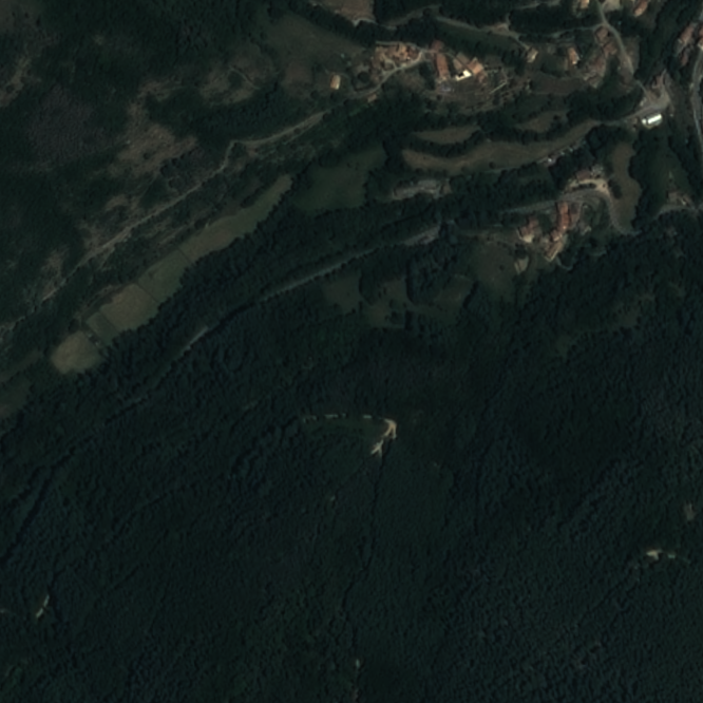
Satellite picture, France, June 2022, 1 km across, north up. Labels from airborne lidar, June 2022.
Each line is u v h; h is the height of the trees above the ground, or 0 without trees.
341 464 23
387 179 11
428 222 14
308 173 22
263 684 31
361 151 14
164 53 7
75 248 13
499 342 17
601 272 14
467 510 20
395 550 29
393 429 0
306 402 16
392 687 25
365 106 6
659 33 12
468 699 23
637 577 21
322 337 21
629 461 11
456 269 24
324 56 0
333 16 21
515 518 23
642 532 14
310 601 11
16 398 0
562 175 20
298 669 7
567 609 16
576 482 14
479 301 26
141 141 0
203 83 10
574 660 18
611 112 24
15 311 11
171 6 10
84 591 26
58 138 12
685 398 13
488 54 11
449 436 20
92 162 6
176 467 21
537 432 28
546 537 20
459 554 20
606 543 24
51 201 15
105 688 23
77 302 9
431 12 16
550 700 18
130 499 16
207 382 11
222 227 0
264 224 7
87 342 0
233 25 14
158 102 8
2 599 23
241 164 0
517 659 20
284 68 0
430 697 20
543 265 0
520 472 25
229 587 15
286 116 20
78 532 30
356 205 0
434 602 20
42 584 30
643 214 24
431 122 21
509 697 18
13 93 10
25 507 21
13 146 12
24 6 0
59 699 24
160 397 21
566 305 9
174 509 15
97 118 10
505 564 25
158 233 7
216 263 24
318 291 13
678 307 20
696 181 20
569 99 14
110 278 10
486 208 12
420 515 26
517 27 7
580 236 10
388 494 32
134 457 14
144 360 8
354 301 0
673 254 21
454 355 16
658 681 18
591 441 12
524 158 0
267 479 23
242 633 9
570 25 17
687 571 22
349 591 18
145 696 29
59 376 6
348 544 18
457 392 13
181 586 15
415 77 0
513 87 12
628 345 17
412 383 18
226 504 12
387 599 29
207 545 13
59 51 7
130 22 11
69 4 8
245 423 16
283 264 21
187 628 13
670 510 12
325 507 16
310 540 9
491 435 28
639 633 18
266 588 12
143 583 15
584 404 20
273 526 29
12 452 26
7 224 9
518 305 11
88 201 6
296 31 0
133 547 14
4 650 12
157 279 0
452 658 23
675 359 21
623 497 22
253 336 31
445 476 20
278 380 14
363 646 30
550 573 18
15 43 13
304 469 13
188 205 14
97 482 6
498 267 0
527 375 22
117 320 0
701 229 11
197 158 12
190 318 21
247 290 22
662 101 0
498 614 19
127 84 10
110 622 14
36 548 29
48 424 19
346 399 19
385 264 15
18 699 9
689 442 18
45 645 15
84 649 18
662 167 0
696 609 20
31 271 11
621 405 16
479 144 13
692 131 6
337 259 14
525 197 7
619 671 21
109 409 7
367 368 20
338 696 30
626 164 0
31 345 14
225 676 14
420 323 27
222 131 30
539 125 0
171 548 14
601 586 12
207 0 12
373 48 8
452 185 6
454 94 0
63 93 11
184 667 17
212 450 17
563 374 13
